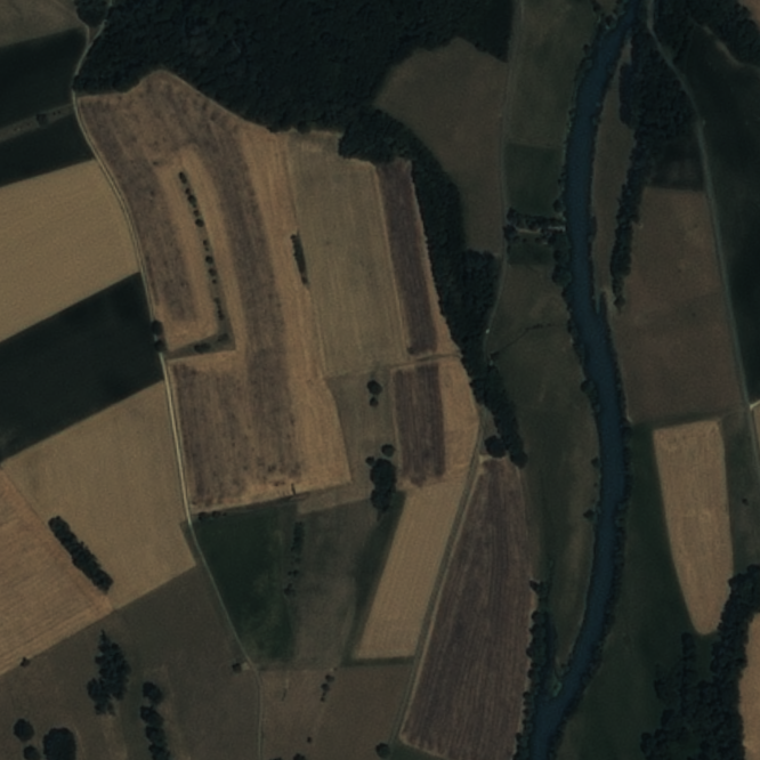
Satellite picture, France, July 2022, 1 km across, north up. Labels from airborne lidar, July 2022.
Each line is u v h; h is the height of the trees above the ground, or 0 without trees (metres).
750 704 0
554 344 0
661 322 0
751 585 23
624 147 0
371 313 0
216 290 0
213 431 0
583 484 0
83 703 0
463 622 0
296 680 0
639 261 0
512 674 0
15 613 0
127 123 0
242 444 0
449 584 0
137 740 0
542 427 0
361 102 18
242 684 0
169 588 0
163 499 0
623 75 0
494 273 32
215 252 0
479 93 0
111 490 0
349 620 0
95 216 0
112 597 0
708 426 0
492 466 0
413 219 0
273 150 0
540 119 0
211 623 0
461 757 0
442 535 0
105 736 0
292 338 0
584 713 0
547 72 0
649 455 0
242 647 0
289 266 0
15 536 0
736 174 0
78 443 0
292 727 0
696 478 0
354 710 0
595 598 0
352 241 0
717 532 0
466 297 20
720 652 24
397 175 0
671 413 0
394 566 0
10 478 0
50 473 0
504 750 0
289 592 10
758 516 0
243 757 0
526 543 0
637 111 36
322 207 0
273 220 0
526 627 0
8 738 0
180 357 0
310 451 0
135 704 0
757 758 0
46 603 0
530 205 0
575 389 0
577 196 0
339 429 0
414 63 0
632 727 0
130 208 0
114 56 10
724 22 14
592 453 0
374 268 0
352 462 0
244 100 23
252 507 0
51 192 0
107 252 0
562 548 0
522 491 0
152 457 0
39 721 0
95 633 0
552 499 0
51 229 0
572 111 6
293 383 0
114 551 0
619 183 0
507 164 0
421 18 7
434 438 0
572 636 0
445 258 20
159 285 0
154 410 0
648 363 0
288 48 30
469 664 0
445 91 0
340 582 0
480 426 0
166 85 0
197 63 26
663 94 31
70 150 0
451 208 16
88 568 14
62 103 0
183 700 0
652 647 0
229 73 25
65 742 25
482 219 0
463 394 0
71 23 0
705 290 0
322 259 0
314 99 29
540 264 0
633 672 0
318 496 0
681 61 12
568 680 0
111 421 0
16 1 0
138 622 0
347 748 0
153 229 0
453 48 0
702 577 0
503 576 0
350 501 0
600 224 0
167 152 0
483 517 0
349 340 0
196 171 0
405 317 0
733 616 25
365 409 0
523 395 0
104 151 0
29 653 0
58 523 10
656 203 0
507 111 0
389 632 0
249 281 0
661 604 0
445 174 9
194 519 0
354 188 0
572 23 0
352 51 16
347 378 0
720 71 0
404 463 0
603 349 0
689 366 0
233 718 0
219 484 0
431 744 0
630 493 9
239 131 0
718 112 0
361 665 0
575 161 0
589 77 0
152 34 25
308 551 0
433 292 0
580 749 0
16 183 0
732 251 0
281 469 0
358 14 18
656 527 0
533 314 0
